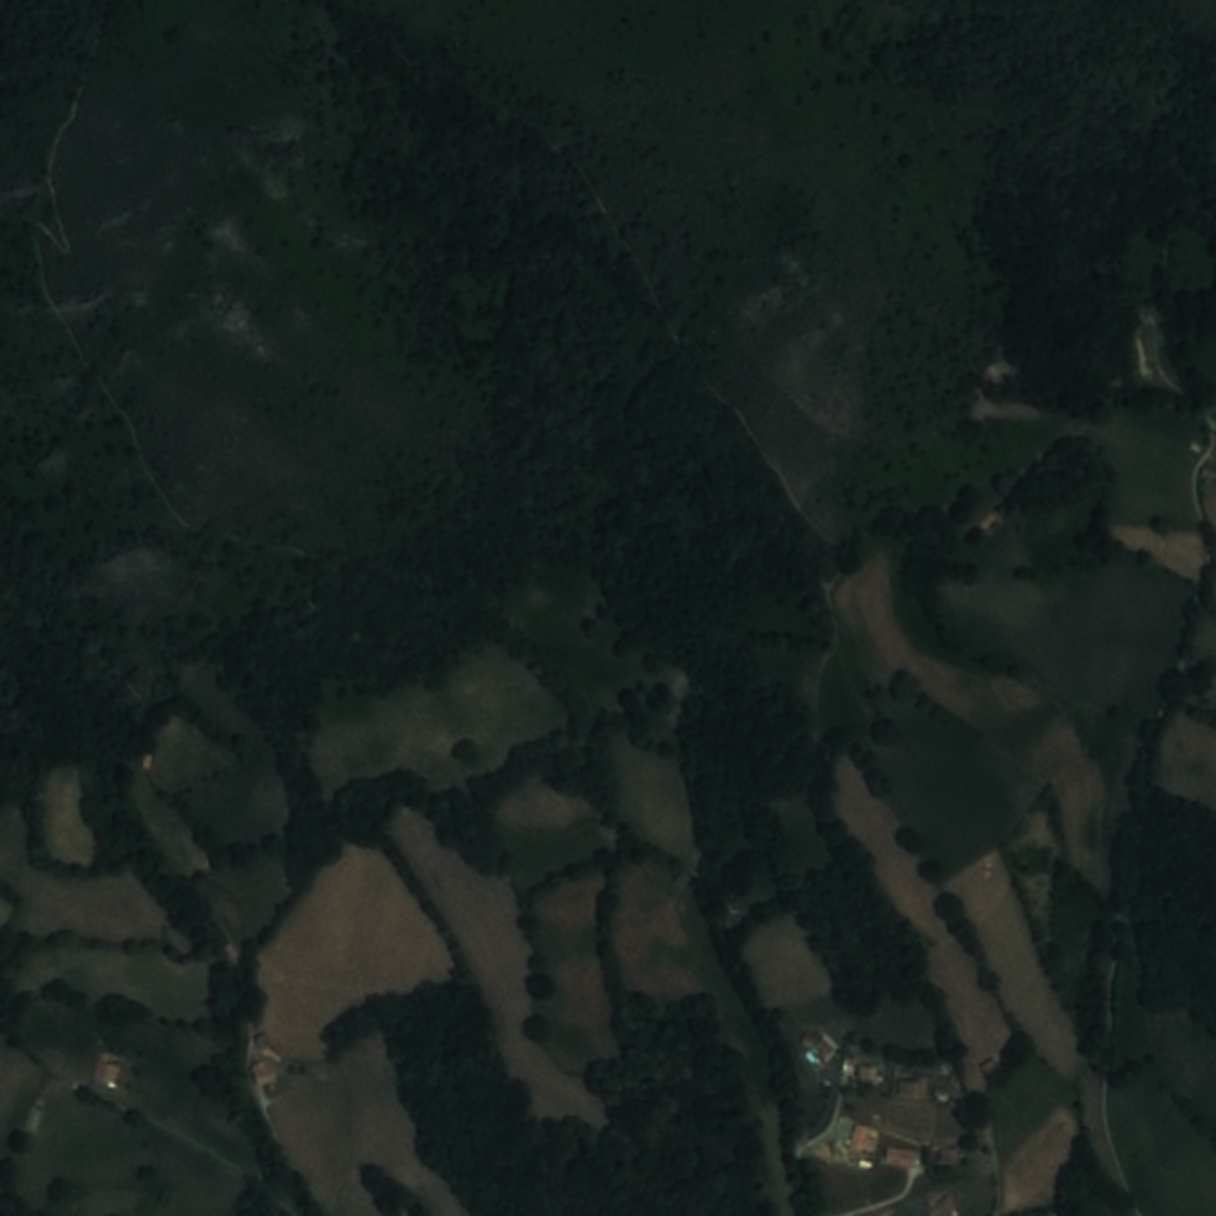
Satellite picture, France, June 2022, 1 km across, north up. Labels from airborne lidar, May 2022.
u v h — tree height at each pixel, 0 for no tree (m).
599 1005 0
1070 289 16
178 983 0
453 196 12
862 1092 6
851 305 0
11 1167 10
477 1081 22
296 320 0
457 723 0
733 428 17
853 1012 20
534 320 12
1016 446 0
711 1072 26
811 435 0
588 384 7
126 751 14
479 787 22
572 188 9
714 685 13
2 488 14
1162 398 13
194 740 0
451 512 13
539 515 25
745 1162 28
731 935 11
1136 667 0
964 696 0
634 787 0
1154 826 13
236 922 0
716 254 11
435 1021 26
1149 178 15
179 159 0
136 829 9
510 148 16
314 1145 0
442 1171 22
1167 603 0
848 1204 0
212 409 0
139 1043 0
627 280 13
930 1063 17
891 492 8
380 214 17
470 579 24
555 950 0
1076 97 10
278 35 0
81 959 0
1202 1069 0
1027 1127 0
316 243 10
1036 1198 0
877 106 9
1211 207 17
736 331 0
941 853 0
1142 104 21
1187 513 0
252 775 0
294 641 15
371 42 12
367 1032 19
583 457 19
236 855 19
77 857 0
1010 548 0
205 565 12
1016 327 16
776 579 14
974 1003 0
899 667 0
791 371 0
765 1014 9
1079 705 0
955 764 0
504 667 0
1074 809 0
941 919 14
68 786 0
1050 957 7
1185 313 15
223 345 0
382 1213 18
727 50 0
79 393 13
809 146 0
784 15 0
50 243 8
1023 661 0
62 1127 0
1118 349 7
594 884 0
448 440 9
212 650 9
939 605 12
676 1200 13
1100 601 0
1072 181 11
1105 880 0
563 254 16
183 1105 0
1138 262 0
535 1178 22
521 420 13
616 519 9
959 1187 0
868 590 0
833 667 0
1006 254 14
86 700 12
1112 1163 0
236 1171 0
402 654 16
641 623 22
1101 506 9
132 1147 0
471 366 13
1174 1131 0
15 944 12
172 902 23
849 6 7
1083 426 8
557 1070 0
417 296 12
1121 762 0
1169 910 14
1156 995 17
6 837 0
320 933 0
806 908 21
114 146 0
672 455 25
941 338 10
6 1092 0
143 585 0
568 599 0
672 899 0
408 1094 20
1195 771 0
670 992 0
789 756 16
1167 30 8
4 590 20
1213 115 15
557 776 13
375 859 0
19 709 15
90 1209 0
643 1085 20
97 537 11
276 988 0
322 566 11
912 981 20
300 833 18
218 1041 9
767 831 19
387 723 0
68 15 13
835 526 0
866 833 0
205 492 0
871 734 8
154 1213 0
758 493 13
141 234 0
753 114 0
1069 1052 0
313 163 8
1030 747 0
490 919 0
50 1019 0
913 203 0
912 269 6
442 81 7
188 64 0
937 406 9
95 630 10
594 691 0
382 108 11
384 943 0
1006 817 0
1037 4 12
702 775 16
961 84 10
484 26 0
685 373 17
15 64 14
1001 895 0
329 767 0
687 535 19
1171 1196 0
